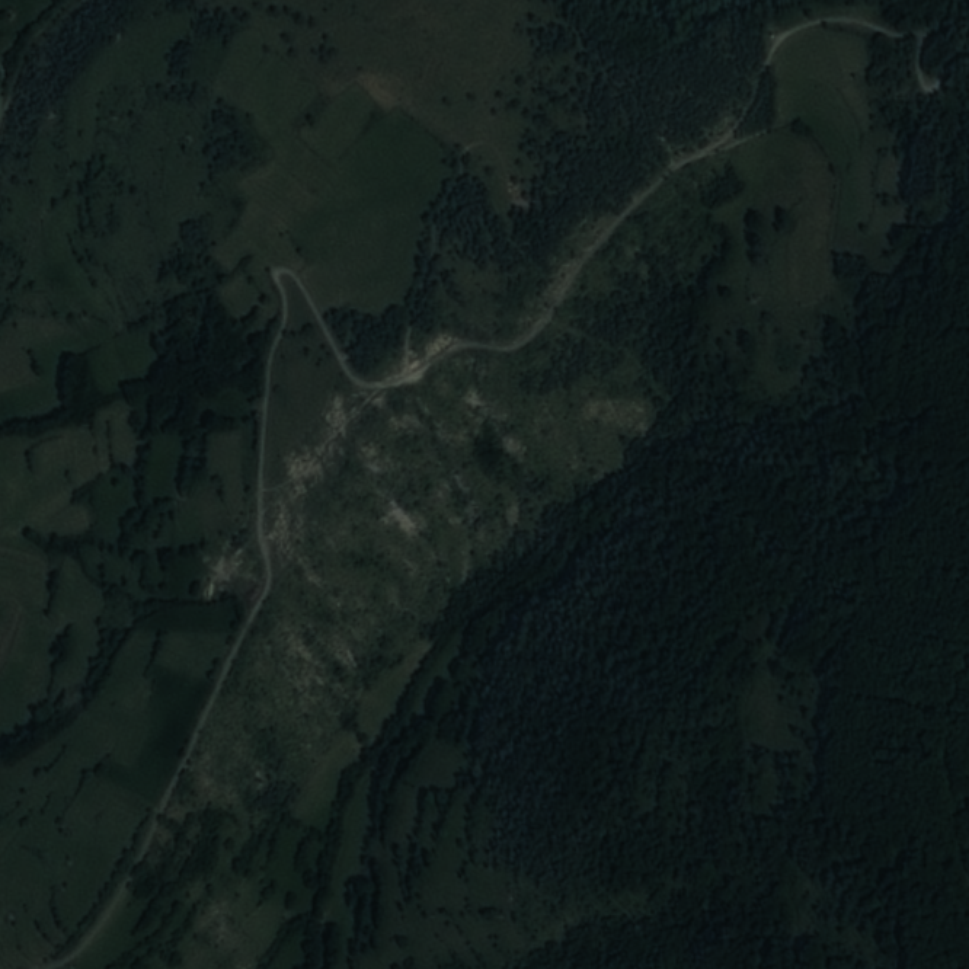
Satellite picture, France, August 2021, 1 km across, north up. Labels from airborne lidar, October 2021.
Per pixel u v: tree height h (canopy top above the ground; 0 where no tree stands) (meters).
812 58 0
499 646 19
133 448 0
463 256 9
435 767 0
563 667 18
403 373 0
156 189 0
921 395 20
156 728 0
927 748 24
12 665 0
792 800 8
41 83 8
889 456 18
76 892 0
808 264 0
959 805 12
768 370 0
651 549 22
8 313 6
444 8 0
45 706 10
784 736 0
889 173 0
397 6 0
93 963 0
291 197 0
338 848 12
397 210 0
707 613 20
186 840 9
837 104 0
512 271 11
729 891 11
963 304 23
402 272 0
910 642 23
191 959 0
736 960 25
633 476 21
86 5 6
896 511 20
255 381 11
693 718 6
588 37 7
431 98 0
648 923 13
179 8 8
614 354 6
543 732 18
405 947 12
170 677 0
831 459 16
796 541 16
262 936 0
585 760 19
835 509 10
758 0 12
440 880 0
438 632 17
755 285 0
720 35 8
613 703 10
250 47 0
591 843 9
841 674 18
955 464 21
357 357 9
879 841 20
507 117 0
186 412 18
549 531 17
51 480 0
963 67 16
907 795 28
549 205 11
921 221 8
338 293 0
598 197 8
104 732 0
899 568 26
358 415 0
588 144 8
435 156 0
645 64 8
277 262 0
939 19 15
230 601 9
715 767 7
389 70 0
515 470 10
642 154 10
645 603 6
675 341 11
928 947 24
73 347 0
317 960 17
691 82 6
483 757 14
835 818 15
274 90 0
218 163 9
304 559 0
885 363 26
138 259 0
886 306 10
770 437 23
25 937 0
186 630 0
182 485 14
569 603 26
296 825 11
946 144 9
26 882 0
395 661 6
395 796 8
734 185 7
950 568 24
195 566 0
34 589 0
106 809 0
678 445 17
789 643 20
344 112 0
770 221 0
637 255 10
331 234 0
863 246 0
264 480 0
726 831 10
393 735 17
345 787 17
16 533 0
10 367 0
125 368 0
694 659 11
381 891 15
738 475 21
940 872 21
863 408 22
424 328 6
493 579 17
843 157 0
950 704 18
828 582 14
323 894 17
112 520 0
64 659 8
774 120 13
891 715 24
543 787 21
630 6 23
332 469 0
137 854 12
